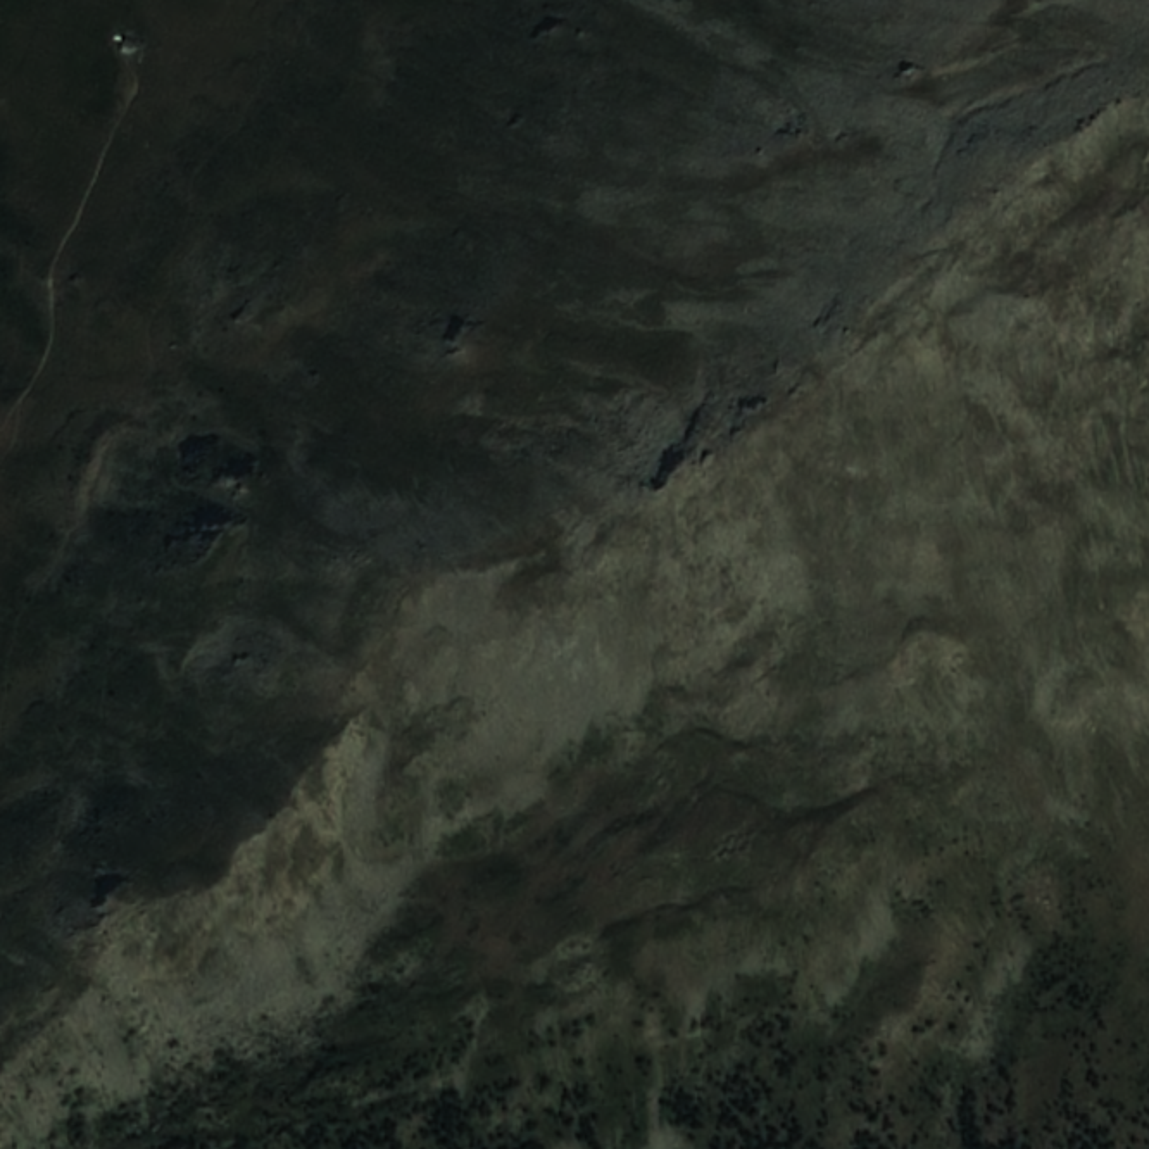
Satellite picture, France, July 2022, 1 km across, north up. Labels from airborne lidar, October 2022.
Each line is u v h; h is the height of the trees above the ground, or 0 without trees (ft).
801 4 0
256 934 0
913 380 0
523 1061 0
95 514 0
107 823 0
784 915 0
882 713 0
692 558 0
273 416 0
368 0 0
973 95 0
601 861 0
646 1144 0
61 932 0
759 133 0
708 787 0
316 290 0
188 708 0
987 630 0
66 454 0
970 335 0
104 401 0
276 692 0
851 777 0
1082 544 0
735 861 0
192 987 0
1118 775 0
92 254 0
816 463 0
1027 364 0
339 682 0
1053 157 0
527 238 0
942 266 0
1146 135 0
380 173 0
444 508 0
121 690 0
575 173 0
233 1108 0
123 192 0
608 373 0
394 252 0
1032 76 0
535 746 0
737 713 0
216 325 0
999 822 0
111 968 0
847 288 0
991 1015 0
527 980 0
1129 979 0
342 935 0
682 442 0
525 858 0
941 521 0
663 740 0
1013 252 0
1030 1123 0
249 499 0
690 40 0
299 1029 0
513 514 0
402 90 0
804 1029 0
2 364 0
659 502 0
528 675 0
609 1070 20
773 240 0
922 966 0
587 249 0
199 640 0
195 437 0
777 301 0
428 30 0
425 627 0
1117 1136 0
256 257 0
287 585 0
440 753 0
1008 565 0
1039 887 0
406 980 0
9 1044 0
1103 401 0
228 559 0
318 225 0
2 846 0
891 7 0
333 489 0
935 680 0
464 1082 0
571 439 0
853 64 0
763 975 0
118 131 0
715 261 0
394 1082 21
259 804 0
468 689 0
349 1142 28
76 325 0
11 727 0
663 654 0
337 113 0
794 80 0
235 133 0
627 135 0
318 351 0
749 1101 25
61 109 0
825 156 0
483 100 0
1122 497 0
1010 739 0
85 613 0
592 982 0
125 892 0
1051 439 0
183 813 0
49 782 0
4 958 0
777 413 0
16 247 0
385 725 0
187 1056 0
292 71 0
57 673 0
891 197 0
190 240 0
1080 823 0
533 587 0
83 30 0
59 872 0
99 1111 0
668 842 0
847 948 0
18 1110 0
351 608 0
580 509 0
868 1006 0
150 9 0
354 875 0
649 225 0
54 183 0
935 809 0
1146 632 0
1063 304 0
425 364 0
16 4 0
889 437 0
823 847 0
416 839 0
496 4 0
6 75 0
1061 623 0
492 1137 26
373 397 0
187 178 0
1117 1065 0
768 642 0
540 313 0
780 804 0
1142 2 0
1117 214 0
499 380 0
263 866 0
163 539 0
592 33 0
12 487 0
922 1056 0
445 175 0
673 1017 0
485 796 0
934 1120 0
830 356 0
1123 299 0
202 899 0
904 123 0
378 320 0
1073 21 0
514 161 0
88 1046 0
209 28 0
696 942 0
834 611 0
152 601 0
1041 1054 0
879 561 0
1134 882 0
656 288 0
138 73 0
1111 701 0
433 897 0
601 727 0
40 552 0
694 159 0
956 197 0
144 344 0
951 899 0
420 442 0
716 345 0
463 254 0
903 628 0
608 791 0
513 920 0
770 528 0
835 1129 0
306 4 0
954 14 0
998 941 0
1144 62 0
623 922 0
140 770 0
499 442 0
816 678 0
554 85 0
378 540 0
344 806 0
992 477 0
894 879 0
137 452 0
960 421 0
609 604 0
